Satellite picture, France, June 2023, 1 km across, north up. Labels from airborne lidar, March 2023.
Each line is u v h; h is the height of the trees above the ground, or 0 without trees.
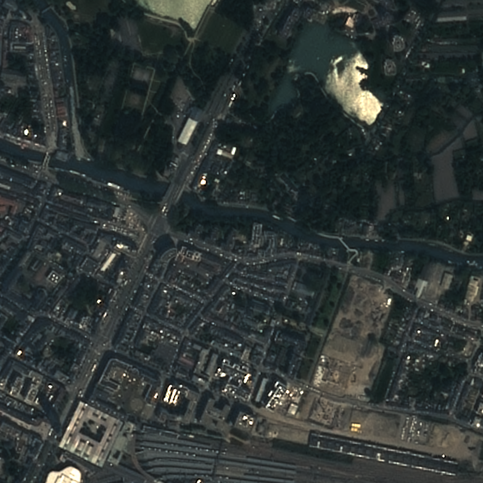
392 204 0
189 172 0
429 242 0
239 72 12
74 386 0
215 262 0
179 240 0
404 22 10
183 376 10
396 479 0
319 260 0
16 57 7
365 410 0
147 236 0
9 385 0
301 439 0
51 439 0
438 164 0
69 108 0
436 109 0
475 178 11
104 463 0
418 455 0
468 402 0
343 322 0
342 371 0
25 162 14
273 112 0
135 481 0
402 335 0
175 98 0
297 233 0
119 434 0
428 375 8
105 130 0
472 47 0
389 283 0
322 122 19
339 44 0
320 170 9
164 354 0
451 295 12
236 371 0
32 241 0
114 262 0
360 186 8
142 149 0
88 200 0
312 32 0
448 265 8
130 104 0
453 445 0
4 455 21
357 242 0
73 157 0
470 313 0
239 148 7
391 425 0
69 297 21
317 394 0
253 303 0
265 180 7
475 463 0
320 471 0
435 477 0
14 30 0
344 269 0
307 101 18
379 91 0
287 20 0
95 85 0
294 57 0
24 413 0
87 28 17
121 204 0
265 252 0
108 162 25
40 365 0
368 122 0
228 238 0
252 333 0
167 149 17
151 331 0
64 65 0
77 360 0
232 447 0
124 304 0
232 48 0
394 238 15
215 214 0
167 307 0
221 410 0
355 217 8
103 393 0
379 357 0
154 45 0
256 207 0
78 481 0
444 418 0
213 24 0
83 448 0
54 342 0
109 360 0
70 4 0
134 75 0
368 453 0
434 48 0
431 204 0
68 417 0
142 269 0
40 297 0
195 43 0
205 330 7
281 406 0
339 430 0
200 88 17
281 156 14
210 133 0
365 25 17
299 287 0
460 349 0
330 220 12
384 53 15
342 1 0
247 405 0
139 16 21
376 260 0
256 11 0
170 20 0
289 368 0
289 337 0
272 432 0
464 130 0
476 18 0
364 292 0
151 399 0
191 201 0
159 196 12
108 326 0
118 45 26
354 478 0
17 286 0
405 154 13
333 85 0
